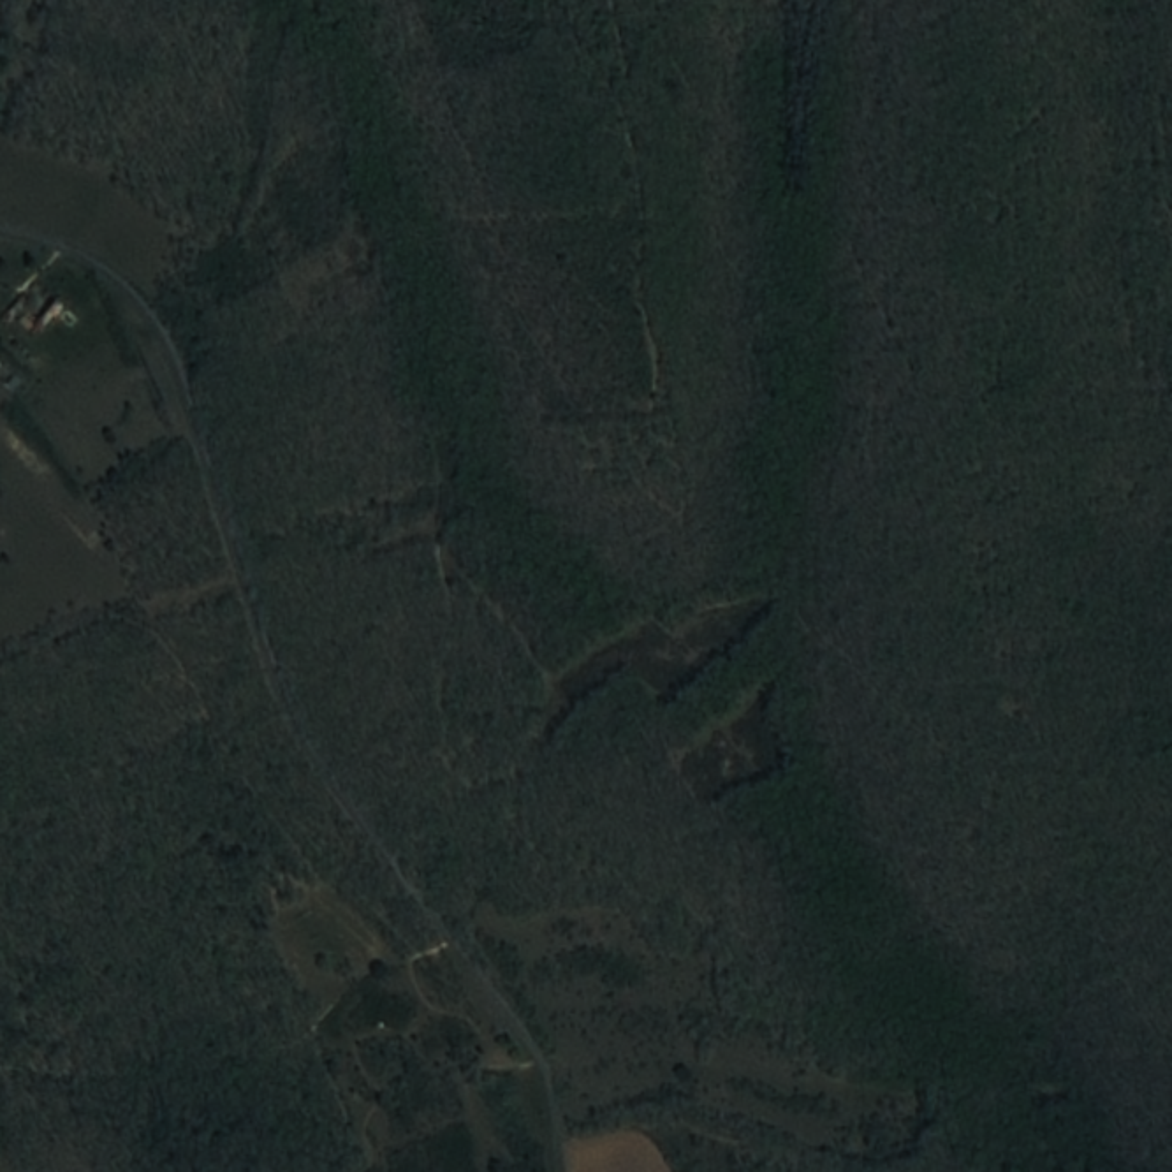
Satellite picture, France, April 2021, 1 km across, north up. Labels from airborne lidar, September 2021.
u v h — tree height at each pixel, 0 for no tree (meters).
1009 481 12
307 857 11
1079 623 13
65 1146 13
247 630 13
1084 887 17
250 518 13
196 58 15
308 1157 17
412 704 15
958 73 12
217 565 10
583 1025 0
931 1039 22
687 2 13
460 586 13
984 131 12
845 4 14
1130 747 16
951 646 13
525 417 11
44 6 17
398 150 18
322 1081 15
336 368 14
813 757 17
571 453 12
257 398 14
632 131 8
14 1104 15
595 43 8
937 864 13
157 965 20
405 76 12
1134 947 15
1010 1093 24
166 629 11
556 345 7
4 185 0
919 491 11
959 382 11
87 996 20
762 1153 14
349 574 15
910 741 12
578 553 15
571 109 11
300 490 12
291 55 19
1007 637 8
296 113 13
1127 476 11
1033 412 12
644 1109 15
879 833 12
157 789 12
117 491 12
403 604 13
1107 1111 15
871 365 11
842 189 12
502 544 19
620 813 12
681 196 14
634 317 7
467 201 10
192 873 11
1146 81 13
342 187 12
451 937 9
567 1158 0
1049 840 14
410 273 19
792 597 15
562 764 16
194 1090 23
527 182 11
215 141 14
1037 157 11
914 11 10
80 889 22
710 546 16
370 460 11
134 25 14
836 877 22
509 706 18
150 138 11
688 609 16
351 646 12
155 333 0
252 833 14
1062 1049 14
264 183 10
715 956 17
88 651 14
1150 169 13
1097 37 17
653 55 10
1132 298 16
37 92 17
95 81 14
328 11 21
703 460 13
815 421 20
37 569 0
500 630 14
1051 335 12
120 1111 21
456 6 6
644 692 16
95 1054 17
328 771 10
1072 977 18
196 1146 23
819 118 17
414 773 14
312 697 15
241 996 15
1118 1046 15
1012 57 13
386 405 12
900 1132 5
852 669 11
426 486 14
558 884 15
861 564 13
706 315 13
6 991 14
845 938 22
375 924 11
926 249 11
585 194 10
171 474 12
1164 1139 14
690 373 12
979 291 11
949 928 14
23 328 0
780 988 16
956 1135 19
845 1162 10
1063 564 14
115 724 15
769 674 20
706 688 18
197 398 17
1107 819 13
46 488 0
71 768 19
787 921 15
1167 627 17
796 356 25
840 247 11
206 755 11
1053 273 11
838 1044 19
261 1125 24
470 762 9
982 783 16
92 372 0
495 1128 0
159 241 0
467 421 21
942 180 10
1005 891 15
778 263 21
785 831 19
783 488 20
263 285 8
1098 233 14
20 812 13
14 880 15
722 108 14
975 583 8
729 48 8
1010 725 12
